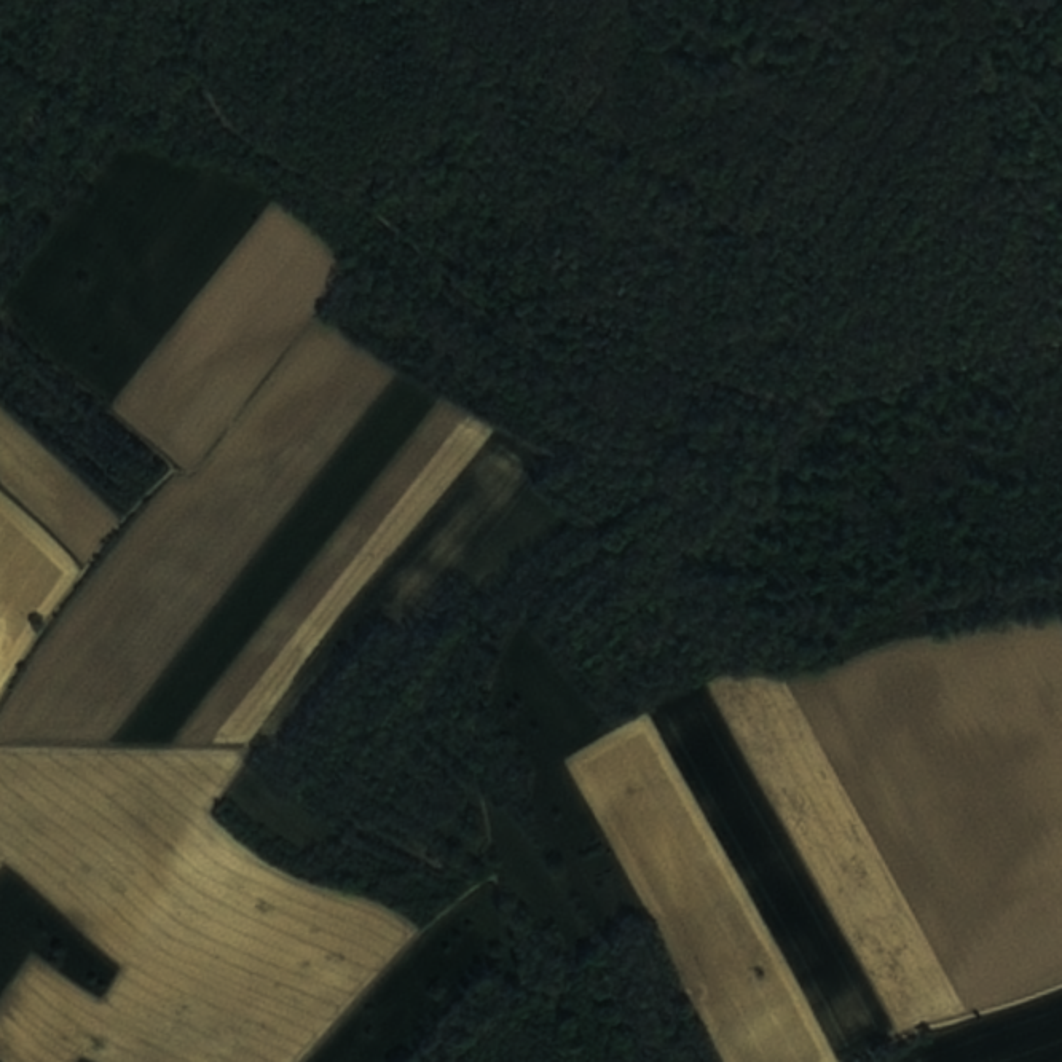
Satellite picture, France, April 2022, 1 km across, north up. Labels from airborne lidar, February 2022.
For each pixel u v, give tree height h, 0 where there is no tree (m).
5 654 0
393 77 23
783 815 0
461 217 23
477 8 20
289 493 0
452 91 25
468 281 27
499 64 21
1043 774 0
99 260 0
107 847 0
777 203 26
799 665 24
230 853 0
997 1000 0
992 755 0
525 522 0
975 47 17
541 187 28
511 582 20
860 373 25
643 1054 17
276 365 0
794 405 22
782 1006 0
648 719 0
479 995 22
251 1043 0
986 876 0
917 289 27
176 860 0
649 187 27
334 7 22
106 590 0
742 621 33
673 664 28
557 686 0
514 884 0
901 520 13
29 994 0
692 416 33
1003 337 24
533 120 24
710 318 24
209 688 0
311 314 0
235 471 0
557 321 28
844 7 21
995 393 10
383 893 8
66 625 0
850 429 27
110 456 20
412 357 26
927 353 27
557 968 21
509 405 22
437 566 0
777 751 0
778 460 34
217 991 0
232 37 23
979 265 26
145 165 0
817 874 0
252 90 23
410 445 0
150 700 0
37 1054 0
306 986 0
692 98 22
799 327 27
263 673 0
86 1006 0
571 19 22
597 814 0
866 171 19
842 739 0
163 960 0
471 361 31
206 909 0
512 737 15
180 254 0
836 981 0
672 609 32
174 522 0
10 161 34
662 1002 25
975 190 19
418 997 0
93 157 31
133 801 0
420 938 0
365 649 22
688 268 28
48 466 0
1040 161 27
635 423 26
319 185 22
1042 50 32
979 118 24
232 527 0
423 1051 21
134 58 26
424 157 25
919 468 14
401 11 22
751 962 0
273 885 0
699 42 30
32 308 0
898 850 0
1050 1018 0
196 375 0
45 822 0
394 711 30
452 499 0
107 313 0
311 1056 0
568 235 25
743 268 25
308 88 23
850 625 27
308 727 22
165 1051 0
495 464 0
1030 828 0
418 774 14
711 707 0
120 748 0
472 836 15
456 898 13
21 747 0
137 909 0
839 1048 0
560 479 29
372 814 17
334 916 0
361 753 24
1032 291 22
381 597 0
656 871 0
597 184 28
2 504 0
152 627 0
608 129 22
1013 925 0
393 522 0
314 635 0
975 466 12
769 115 20
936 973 0
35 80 23
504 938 0
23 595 0
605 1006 20
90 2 24
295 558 0
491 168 26
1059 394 16
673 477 35
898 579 19
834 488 34
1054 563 17
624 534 29
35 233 24
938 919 0
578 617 29
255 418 0
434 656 34
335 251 9
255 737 0
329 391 0
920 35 13
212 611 0
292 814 0
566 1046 21
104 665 0
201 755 0
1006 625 25
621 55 21
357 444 0
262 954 0
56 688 0
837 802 0
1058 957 0
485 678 18
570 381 27
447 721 23
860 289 23
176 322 0
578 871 0
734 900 0
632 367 23
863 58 18
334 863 8
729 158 23
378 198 23
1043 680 0
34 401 17
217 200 0
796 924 0
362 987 0
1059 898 0
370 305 33
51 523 0
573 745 0
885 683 0
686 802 0
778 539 28
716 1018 0
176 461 0
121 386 0
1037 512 18
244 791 0
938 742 0
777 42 21
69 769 0
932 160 21
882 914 0
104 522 0
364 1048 0
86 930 0
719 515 37
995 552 11
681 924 0
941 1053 0
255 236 0
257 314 0
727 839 0
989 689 0
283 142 19
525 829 13
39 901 0
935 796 0
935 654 0
